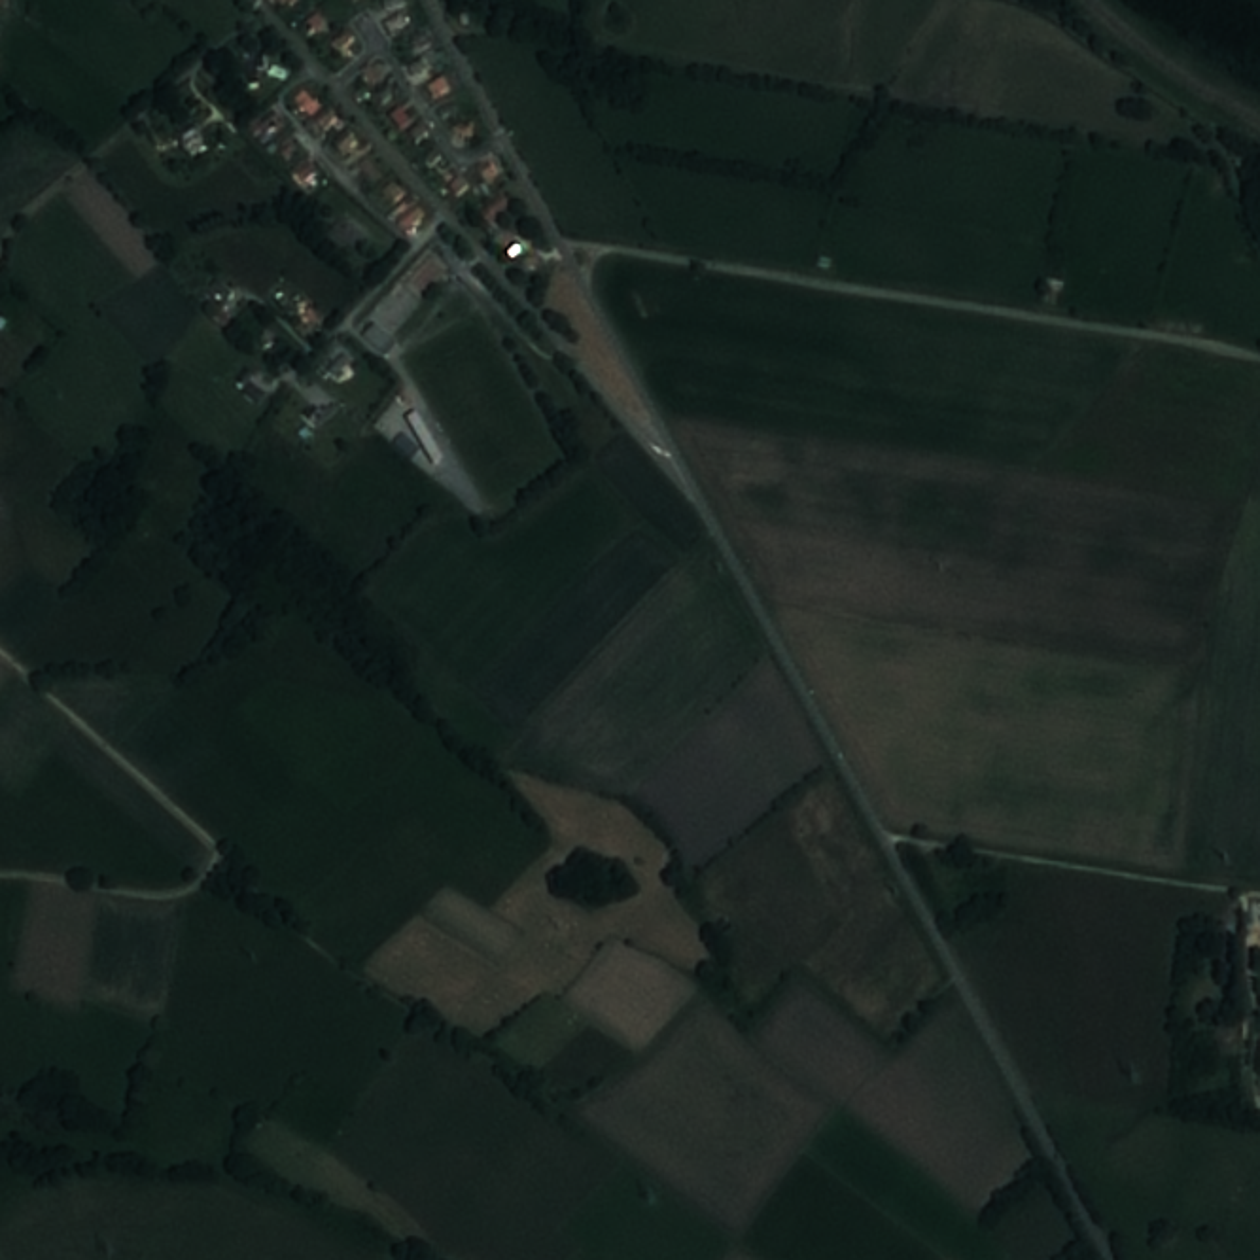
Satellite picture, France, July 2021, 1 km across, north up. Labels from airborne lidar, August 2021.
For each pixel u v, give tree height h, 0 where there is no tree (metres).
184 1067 0
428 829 0
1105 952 0
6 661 0
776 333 0
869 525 0
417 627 0
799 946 0
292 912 15
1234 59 7
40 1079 8
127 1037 0
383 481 0
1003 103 0
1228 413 0
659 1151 0
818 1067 0
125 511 26
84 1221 0
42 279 0
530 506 13
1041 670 0
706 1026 0
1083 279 0
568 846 0
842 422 0
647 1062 0
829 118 0
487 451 0
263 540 24
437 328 0
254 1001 0
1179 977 11
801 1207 0
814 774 6
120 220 0
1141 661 0
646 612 0
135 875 0
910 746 0
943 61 0
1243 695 0
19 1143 12
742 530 0
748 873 0
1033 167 0
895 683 0
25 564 0
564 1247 0
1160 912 0
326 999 0
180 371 0
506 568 0
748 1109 0
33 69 0
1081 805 0
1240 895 12
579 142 0
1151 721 0
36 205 0
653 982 0
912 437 0
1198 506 0
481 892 0
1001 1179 0
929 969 0
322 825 0
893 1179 0
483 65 0
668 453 0
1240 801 0
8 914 0
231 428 0
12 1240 0
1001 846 0
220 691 0
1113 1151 0
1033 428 0
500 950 0
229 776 0
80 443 0
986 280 0
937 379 0
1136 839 0
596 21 0
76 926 0
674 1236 0
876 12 0
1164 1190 0
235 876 16
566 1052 0
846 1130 0
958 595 0
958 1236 0
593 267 0
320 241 24
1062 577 0
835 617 0
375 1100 0
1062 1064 0
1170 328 0
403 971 0
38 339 0
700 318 0
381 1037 0
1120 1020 0
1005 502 0
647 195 0
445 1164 0
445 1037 12
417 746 0
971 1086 0
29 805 0
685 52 0
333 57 6
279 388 8
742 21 0
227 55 19
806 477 0
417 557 0
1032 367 0
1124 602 0
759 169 16
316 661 0
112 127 0
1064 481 0
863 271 0
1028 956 0
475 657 0
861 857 0
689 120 0
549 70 10
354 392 0
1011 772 0
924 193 0
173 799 0
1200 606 0
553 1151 0
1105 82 0
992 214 0
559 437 16
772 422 0
